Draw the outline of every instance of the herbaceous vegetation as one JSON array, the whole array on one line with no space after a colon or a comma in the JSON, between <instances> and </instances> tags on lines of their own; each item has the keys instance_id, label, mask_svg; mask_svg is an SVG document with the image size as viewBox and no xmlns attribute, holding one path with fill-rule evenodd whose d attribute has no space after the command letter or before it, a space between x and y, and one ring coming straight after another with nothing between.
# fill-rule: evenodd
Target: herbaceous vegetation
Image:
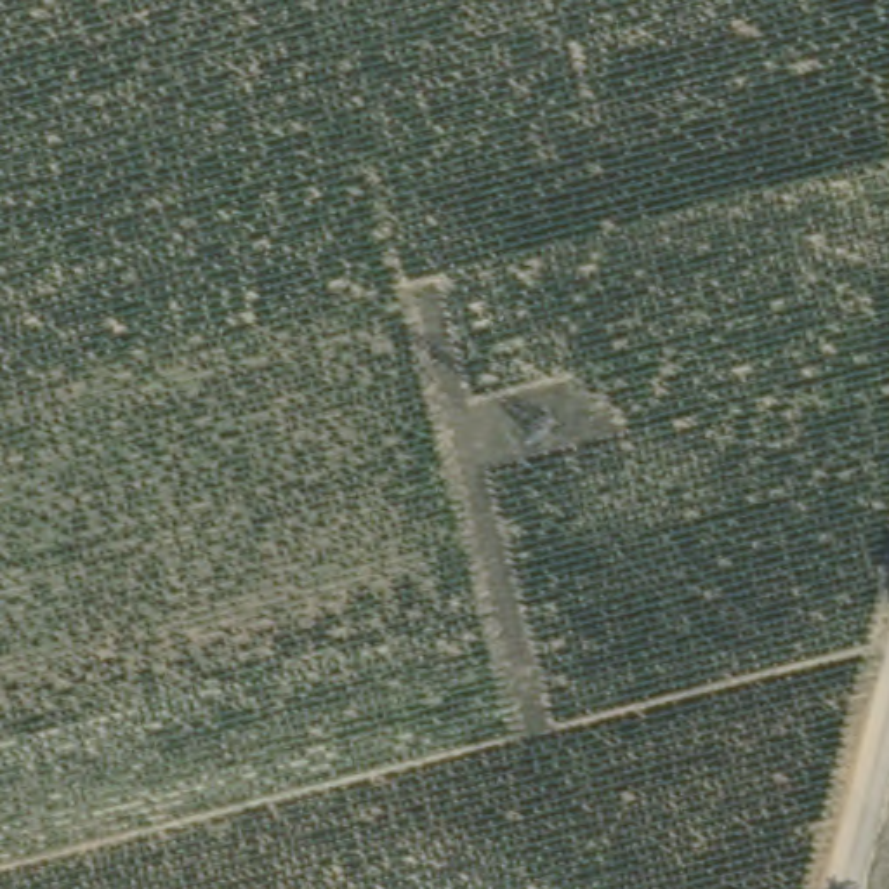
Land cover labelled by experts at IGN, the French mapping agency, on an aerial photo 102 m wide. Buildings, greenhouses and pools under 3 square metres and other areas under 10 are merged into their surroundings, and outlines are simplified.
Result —
<instances>
[{"instance_id":1,"label":"herbaceous vegetation","mask_svg":"<svg viewBox=\"0 0 889 889\"><path fill-rule=\"evenodd\" d=\"M868 889L889 889L889 799L868 861Z\"/></svg>"}]
</instances>

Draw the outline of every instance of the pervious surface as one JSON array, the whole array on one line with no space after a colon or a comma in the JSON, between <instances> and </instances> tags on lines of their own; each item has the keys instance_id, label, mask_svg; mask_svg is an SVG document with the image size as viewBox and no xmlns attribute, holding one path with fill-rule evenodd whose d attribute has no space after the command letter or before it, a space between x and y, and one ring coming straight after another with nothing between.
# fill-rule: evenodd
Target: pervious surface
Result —
<instances>
[{"instance_id":1,"label":"pervious surface","mask_svg":"<svg viewBox=\"0 0 889 889\"><path fill-rule=\"evenodd\" d=\"M889 799L889 642L879 667L879 681L872 688L861 743L851 750L840 740L837 771L826 795L826 809L840 816L830 854L830 875L837 882L830 889L868 889L868 861Z\"/></svg>"}]
</instances>

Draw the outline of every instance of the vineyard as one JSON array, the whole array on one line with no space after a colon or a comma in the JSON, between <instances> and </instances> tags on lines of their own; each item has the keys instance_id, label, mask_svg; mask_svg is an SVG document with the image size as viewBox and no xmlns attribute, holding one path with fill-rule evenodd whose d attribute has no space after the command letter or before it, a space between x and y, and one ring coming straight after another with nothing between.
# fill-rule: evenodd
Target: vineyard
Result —
<instances>
[{"instance_id":1,"label":"vineyard","mask_svg":"<svg viewBox=\"0 0 889 889\"><path fill-rule=\"evenodd\" d=\"M830 889L837 882L830 875L830 854L840 816L826 809L826 795L837 771L840 740L851 750L861 743L872 688L879 681L879 667L889 642L889 0L0 0L0 889Z\"/></svg>"}]
</instances>

